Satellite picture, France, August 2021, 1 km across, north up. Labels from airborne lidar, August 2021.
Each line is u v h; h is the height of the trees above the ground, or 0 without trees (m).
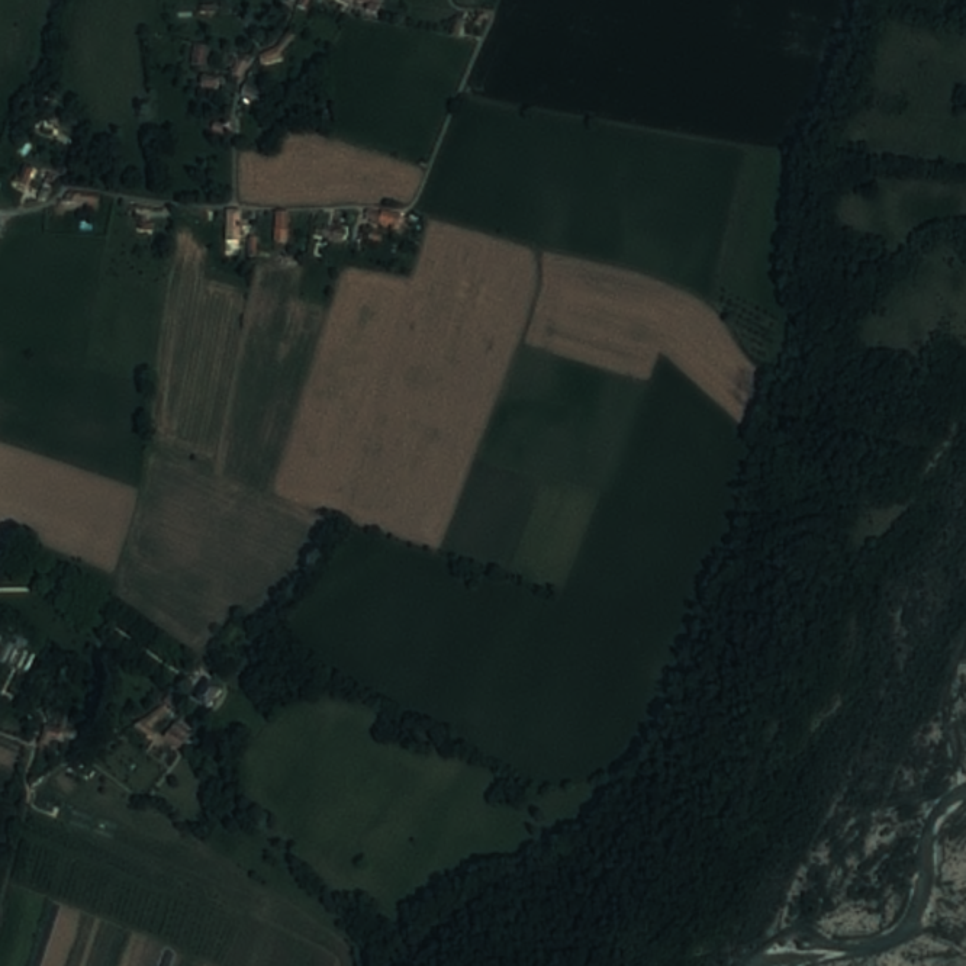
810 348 23
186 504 0
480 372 0
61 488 0
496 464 0
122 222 0
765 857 11
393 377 0
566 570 0
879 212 0
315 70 20
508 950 21
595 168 0
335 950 0
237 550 0
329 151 0
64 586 24
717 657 23
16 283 0
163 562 0
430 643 0
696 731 13
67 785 0
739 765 17
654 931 16
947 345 9
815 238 13
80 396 0
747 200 0
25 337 0
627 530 0
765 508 13
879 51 10
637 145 0
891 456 16
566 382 0
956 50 0
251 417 0
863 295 13
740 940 7
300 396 0
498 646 0
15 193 0
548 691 0
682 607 0
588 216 0
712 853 11
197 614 0
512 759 0
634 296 0
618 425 0
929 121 0
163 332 0
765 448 23
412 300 0
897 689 8
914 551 8
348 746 0
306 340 0
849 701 11
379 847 0
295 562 0
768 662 19
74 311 0
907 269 10
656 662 0
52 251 0
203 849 0
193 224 0
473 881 30
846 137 6
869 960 0
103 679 7
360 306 0
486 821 0
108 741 17
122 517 0
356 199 0
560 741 0
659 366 0
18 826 15
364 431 0
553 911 21
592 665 0
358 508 0
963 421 30
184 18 0
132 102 0
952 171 20
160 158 17
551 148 0
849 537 7
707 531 0
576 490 0
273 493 0
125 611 18
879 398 17
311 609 0
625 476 0
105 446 0
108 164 16
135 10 0
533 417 0
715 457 0
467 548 0
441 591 0
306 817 0
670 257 0
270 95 17
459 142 0
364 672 0
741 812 20
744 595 21
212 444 0
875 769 7
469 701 0
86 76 0
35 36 0
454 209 0
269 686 24
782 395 24
